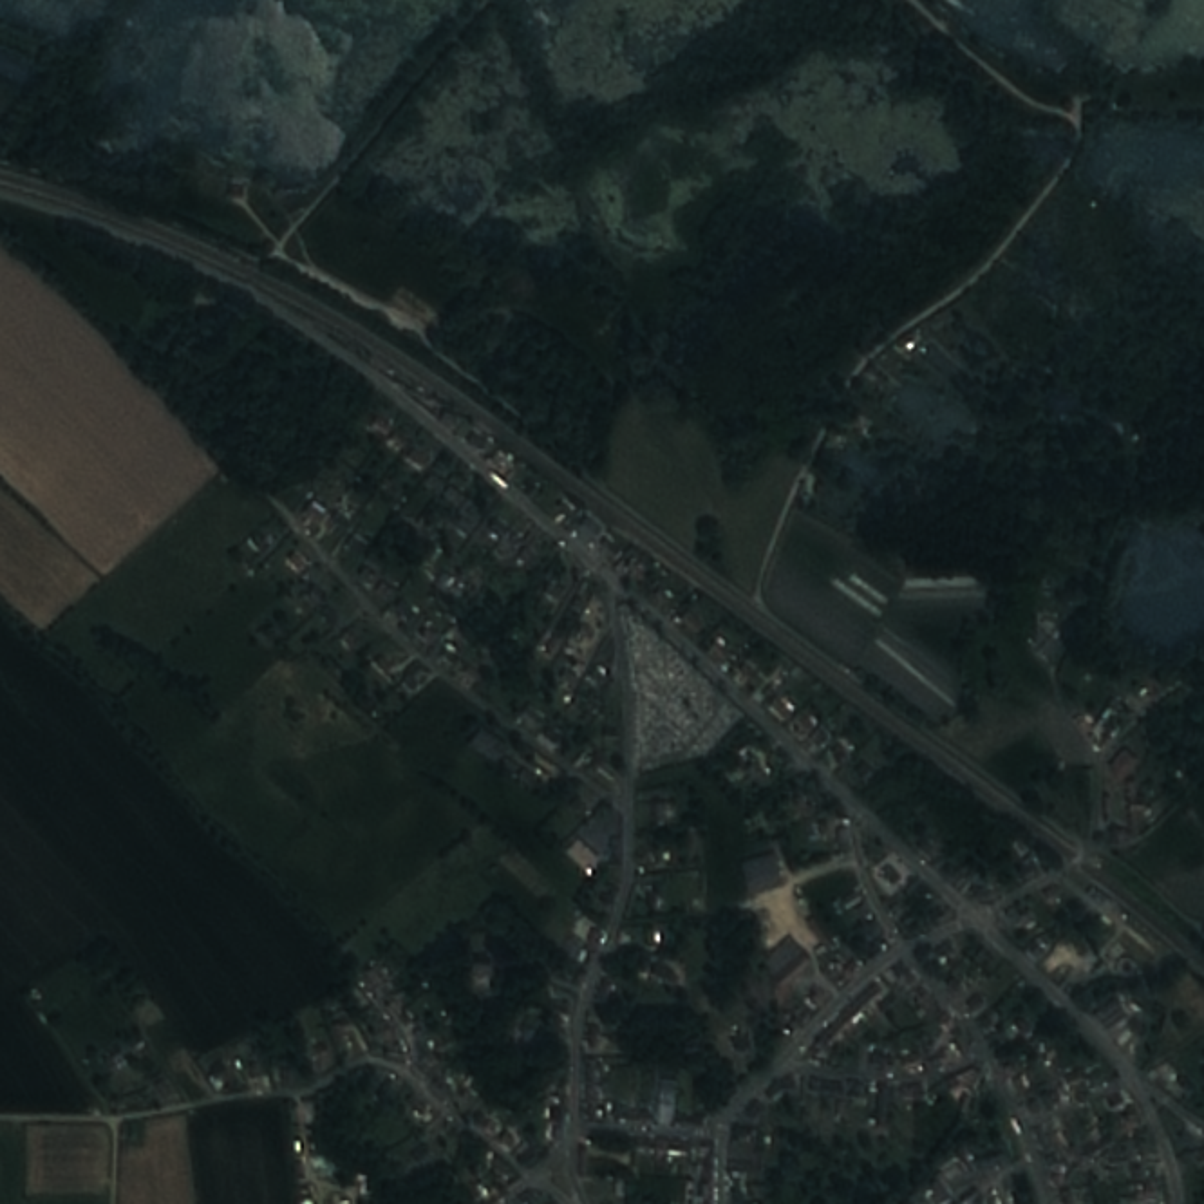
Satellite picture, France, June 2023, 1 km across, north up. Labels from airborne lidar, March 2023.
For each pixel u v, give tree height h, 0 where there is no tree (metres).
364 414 8
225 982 0
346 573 0
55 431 0
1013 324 0
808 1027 0
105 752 0
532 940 20
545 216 0
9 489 6
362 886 0
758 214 11
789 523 0
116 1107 8
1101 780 0
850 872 0
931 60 19
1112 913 0
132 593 0
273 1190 0
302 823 0
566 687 8
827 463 10
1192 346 9
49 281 13
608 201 0
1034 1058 12
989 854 8
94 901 0
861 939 16
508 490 0
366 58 0
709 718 0
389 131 6
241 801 0
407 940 0
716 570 0
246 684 0
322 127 0
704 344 34
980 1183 0
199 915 0
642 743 0
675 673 0
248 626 0
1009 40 0
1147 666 17
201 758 0
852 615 0
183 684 19
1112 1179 0
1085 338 18
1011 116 6
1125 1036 0
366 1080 11
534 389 22
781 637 0
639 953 10
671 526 0
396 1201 10
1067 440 26
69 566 0
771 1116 0
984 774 0
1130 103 10
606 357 0
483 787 0
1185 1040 0
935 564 24
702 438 0
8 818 0
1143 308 11
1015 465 11
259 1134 0
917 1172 11
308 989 0
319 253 0
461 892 0
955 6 0
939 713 0
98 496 0
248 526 0
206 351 30
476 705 0
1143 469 18
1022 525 27
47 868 0
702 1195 0
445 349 13
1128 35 0
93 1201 0
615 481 0
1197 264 12
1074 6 0
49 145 19
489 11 6
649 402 21
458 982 23
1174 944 0
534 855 0
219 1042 0
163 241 0
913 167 0
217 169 0
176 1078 0
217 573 0
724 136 0
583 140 7
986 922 0
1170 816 0
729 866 0
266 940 0
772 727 0
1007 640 0
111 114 12
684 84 9
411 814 0
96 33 16
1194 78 0
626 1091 0
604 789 0
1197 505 22
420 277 0
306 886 0
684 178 0
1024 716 0
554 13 0
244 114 0
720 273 6
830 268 28
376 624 0
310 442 12
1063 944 0
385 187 10
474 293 10
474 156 0
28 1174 0
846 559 0
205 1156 0
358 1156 11
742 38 8
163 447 0
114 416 0
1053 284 6
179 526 0
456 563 0
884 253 19
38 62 8
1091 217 0
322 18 0
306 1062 6
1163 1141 0
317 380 14
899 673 0
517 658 18
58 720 0
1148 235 10
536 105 6
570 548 0
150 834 0
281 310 0
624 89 0
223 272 0
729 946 20
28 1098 0
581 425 16
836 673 0
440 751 0
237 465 14
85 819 0
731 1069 18
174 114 0
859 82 0
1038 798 14
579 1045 0
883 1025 0
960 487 19
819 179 0
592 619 0
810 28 8
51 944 0
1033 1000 15
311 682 0
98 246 15
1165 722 7
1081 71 6
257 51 0
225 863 0
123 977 7
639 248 0
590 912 7
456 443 0
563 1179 0
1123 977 5
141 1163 0
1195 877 0
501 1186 6
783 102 0
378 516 0
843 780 0
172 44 0
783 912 0
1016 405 30
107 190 15
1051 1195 0
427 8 0
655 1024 12
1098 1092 0
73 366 0
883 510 21
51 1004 0
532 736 0
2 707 0
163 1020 0
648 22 0
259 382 19
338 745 0
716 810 0
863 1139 17
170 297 13
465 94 0
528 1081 12
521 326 16
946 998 0
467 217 0
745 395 6
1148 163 0
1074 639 29
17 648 0
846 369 0
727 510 0
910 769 6
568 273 16
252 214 0
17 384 0
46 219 0
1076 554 6
